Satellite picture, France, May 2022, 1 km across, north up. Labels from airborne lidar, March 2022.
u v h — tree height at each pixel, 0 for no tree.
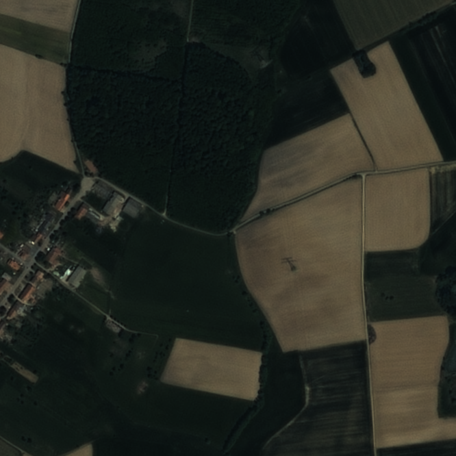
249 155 28
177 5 0
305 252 0
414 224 0
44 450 0
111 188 0
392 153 0
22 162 0
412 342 0
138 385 0
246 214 0
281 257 0
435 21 0
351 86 0
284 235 0
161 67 8
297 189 0
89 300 0
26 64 0
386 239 0
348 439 0
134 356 0
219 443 0
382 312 0
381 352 0
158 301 0
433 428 0
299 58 0
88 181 0
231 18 0
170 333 0
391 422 0
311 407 0
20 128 0
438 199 0
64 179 0
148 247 0
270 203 0
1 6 0
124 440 0
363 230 0
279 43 11
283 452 0
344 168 0
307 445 0
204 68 26
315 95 0
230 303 0
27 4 0
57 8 0
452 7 0
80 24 8
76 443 0
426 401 0
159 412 0
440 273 0
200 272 0
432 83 0
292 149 0
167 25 0
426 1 0
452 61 0
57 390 0
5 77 0
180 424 0
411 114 0
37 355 0
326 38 0
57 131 0
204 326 0
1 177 0
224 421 0
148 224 0
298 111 0
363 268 0
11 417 0
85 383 0
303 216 0
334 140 0
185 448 0
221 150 31
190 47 24
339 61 0
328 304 0
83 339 0
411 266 0
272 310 0
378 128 0
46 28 0
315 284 0
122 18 8
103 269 0
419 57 0
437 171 0
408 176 0
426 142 0
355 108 0
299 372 0
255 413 14
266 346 16
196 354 0
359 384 0
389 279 0
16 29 0
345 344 0
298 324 0
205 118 27
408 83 0
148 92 25
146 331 0
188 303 0
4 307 9
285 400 0
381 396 0
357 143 0
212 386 0
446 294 27
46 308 0
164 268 0
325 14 0
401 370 0
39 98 0
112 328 0
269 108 8
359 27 0
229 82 27
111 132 28
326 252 0
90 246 0
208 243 0
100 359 0
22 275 0
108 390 0
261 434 0
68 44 0
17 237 0
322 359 0
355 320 0
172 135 19
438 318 0
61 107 0
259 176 0
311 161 0
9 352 0
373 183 0
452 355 0
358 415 0
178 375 0
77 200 0
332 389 0
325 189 0
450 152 0
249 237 0
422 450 0
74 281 0
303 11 0
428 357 0
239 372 0
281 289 0
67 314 0
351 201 0
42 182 0
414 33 0
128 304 0
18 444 0
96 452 0
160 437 0
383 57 0
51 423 0
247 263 0
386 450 0
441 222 0
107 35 6
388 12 0
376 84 0
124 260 0
